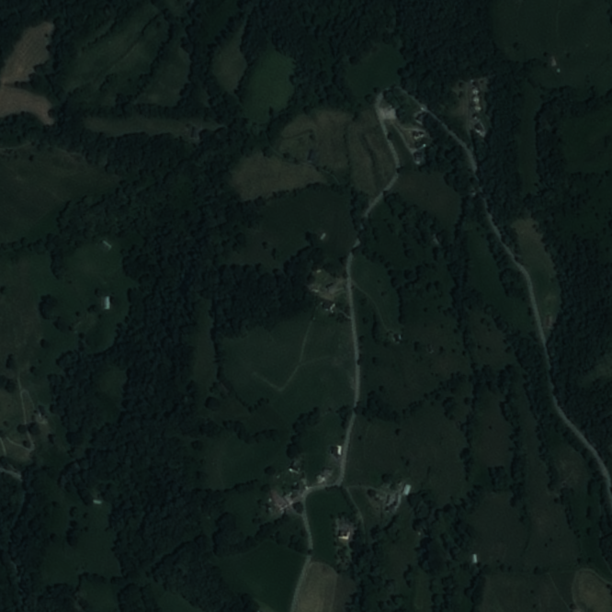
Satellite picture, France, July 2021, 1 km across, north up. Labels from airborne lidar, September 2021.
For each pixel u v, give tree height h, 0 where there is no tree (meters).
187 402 20
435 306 0
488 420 0
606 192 0
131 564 12
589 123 0
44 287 0
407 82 22
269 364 0
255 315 19
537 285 0
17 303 0
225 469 0
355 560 13
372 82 0
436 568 30
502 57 20
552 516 0
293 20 22
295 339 0
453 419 14
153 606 12
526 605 0
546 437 17
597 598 0
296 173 0
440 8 23
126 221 16
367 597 20
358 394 0
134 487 20
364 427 0
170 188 22
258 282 17
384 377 0
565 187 16
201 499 22
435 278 0
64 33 11
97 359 17
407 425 0
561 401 15
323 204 0
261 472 0
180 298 23
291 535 0
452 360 0
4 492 23
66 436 0
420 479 0
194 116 18
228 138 10
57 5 22
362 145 0
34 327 0
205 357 0
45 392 0
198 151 9
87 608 15
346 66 18
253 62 18
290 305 20
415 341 0
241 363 0
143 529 10
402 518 8
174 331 26
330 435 0
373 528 0
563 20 0
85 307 0
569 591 0
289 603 0
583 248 13
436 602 17
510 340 13
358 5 11
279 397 0
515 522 0
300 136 0
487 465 0
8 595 9
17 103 0
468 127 0
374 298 0
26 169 0
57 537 17
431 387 0
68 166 0
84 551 0
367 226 17
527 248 0
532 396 16
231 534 23
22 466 9
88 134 17
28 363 0
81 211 19
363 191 8
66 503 0
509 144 13
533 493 0
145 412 27
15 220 0
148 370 20
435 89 20
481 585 21
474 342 13
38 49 0
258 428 0
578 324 19
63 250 9
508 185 20
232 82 0
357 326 0
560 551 0
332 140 0
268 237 0
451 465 0
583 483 0
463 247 10
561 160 17
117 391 0
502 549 0
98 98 0
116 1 31
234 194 11
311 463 0
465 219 21
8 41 25
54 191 0
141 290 8
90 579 20
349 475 0
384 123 0
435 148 16
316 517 0
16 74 0
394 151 0
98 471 22
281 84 0
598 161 0
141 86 10
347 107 16
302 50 20
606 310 14
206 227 29
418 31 24
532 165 0
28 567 27
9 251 17
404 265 0
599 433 16
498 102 20
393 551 0
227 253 16
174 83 0
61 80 21
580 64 0
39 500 20
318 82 18
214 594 21
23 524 29
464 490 0
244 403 10
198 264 26
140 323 20
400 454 0
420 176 0
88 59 0
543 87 15
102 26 8
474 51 11
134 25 0
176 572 25
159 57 7
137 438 25
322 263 11
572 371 17
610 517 13
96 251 0
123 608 16
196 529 17
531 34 0
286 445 0
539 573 13
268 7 16
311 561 0
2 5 21
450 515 24
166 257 27
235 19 17
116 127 0
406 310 18
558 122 22
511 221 15
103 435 24
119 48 0
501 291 0
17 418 0
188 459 10
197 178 17
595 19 0
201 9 23
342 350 0
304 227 0
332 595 0
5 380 15
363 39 10
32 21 20
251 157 18
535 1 0
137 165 18
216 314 14
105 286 0
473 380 18
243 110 10
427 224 20
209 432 21
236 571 0
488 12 16
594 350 14
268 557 0
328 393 0
